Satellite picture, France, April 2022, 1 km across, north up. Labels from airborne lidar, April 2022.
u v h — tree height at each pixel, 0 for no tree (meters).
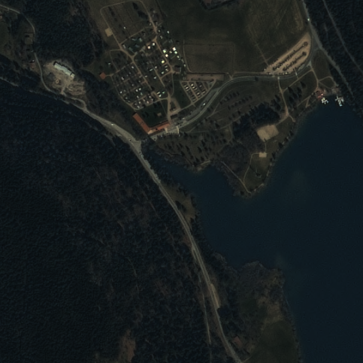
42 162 10
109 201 22
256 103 0
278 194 0
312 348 0
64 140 24
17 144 30
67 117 29
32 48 0
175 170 0
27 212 24
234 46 0
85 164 23
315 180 0
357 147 0
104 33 0
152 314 21
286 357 0
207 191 0
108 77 0
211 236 0
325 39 25
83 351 27
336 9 25
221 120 0
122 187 25
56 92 13
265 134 0
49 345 28
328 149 0
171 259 24
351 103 9
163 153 17
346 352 0
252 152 18
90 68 0
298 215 0
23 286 26
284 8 0
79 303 27
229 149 20
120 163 11
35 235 29
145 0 0
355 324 0
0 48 0
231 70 0
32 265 26
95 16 0
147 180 30
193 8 0
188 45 0
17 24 13
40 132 23
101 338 27
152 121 0
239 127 19
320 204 0
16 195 26
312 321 0
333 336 0
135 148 0
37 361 25
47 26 18
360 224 0
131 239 21
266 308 0
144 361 22
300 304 0
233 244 0
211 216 0
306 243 0
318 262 0
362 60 25
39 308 29
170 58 0
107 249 21
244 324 28
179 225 37
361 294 0
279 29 0
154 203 12
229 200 0
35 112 26
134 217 39
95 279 28
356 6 15
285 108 0
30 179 22
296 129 12
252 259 0
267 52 0
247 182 0
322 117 0
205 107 0
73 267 28
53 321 30
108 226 22
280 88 0
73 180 23
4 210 26
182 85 0
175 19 0
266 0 0
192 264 35
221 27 0
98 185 21
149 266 22
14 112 30
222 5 10
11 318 28
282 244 0
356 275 0
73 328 32
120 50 0
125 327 26
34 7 23
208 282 0
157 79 0
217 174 0
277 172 0
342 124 0
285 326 0
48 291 26
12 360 25
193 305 43
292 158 0
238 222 0
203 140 0
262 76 0
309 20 0
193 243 0
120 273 21
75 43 22
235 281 21
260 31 0
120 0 0
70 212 24
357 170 0
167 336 25
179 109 0
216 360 23
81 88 0
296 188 0
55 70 0
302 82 0
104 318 27
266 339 0
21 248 24
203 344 39
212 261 29
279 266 0
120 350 17
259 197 0
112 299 27
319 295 0
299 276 0
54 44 26
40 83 16
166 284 44
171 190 0
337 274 0
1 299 27
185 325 23
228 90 0
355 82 18
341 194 0
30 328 28
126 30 0
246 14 0
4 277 25
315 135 0
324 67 0
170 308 25
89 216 22
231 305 18
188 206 0
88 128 22
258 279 10
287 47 0
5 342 26
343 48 23
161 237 11
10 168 29
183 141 0
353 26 19
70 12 15
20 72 17
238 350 24
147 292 25
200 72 0
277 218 0
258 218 0
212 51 0
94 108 14
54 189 23
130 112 0
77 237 29
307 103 0
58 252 25
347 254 0
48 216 28
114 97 11
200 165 19
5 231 18
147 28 0
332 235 0
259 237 0
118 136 0
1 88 13
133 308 24
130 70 15
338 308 0
